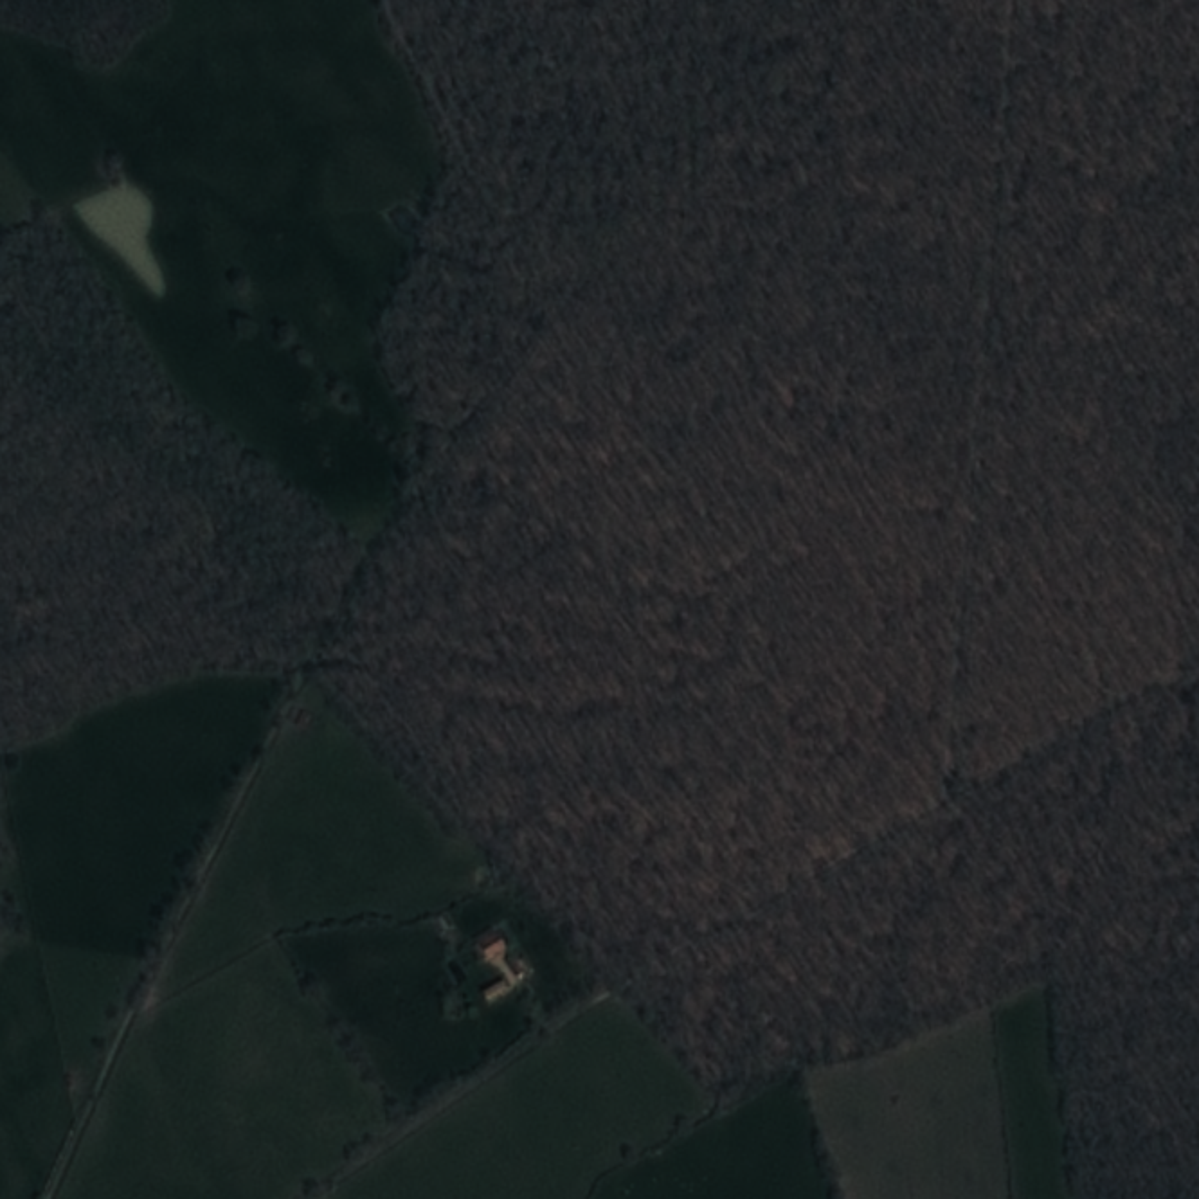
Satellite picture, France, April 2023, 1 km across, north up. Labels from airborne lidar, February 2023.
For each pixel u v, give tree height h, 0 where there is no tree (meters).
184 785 0
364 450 0
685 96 22
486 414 15
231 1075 0
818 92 24
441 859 0
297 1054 0
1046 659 22
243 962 0
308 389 0
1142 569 22
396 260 0
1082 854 22
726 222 22
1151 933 19
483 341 19
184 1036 0
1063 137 16
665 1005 7
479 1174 0
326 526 17
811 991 20
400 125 0
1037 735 14
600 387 25
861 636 20
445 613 18
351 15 0
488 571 23
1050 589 16
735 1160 0
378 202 0
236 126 0
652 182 21
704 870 26
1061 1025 16
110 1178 0
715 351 23
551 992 0
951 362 18
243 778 14
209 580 17
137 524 19
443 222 20
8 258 20
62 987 0
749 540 21
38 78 0
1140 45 20
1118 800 19
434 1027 0
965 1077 0
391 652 23
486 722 23
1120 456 17
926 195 20
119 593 23
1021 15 16
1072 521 19
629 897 21
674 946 22
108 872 0
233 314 0
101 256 0
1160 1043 21
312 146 0
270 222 0
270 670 9
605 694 26
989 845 16
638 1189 0
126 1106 0
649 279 20
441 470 21
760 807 15
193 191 0
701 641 18
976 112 18
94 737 0
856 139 22
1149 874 13
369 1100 0
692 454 26
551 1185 0
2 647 13
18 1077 0
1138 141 19
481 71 23
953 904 19
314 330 0
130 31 13
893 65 22
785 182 18
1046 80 20
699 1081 19
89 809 0
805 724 16
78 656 18
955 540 18
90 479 21
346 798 0
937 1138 0
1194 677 16
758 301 20
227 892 0
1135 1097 22
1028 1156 0
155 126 0
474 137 22
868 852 17
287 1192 0
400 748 17
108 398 22
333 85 0
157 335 0
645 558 21
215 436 21
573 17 22
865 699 20
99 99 0
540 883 20
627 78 23
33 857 0
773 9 21
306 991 11
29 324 20
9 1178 0
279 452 0
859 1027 23
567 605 25
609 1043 0
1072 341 18
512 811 21
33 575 22
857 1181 0
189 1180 0
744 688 24
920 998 21
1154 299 16
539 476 25
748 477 25
